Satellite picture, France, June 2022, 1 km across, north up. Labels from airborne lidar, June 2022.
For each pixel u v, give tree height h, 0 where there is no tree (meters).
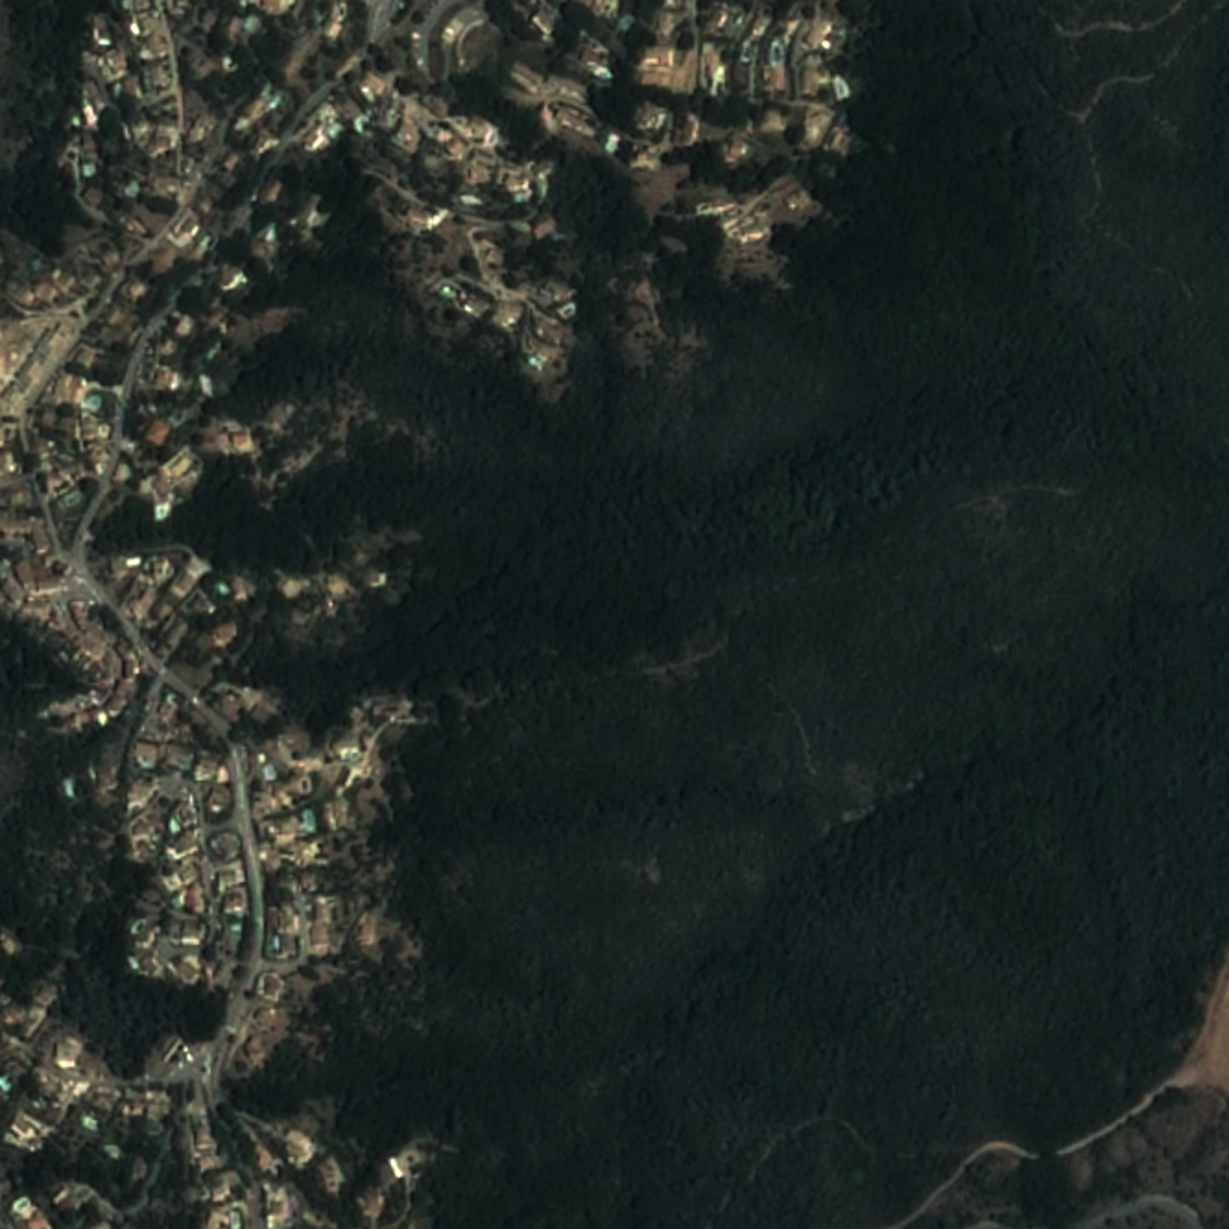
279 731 14
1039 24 10
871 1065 9
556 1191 20
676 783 7
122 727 7
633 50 13
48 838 8
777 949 14
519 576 16
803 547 8
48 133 11
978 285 20
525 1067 17
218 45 13
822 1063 7
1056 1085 11
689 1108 16
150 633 5
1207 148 14
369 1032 6
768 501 16
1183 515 9
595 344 10
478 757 8
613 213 13
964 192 18
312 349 11
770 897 8
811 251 17
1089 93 7
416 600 14
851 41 7
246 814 0
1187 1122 0
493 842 11
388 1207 6
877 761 7
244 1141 10
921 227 21
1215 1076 0
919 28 17
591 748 12
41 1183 13
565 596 13
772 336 7
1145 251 7
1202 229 6
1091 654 8
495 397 17
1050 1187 12
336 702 16
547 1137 12
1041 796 12
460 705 17
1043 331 12
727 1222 6
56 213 15
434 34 0
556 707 15
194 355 8
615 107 18
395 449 12
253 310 17
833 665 10
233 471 14
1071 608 8
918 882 13
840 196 22
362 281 6
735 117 14
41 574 0
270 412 6
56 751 7
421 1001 5
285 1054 13
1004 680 13
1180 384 6
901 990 15
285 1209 0
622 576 18
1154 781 6
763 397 6
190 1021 13
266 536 12
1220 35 13
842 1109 7
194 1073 0
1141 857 6
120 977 15
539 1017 7
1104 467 10
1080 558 5
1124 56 7
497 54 0
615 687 12
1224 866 11
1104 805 12
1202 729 10
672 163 18
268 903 7
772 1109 7
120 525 11
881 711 8
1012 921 12
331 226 10
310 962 9
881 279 17
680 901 6
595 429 15
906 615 10
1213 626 8
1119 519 9
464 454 7
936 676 8
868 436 14
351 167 17
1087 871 13
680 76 0
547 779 7
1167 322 10
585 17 15
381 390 7
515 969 6
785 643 9
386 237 13
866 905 12
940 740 16
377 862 7
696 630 6
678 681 7
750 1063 8
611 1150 16
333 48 6
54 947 9
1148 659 13
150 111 6
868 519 10
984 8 14
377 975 7
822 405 8
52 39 11
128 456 7
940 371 13
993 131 20
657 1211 17
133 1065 10
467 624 24
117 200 7
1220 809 7
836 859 10
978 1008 7
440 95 6
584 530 13
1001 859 17
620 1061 9
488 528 13
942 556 7
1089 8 7
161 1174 6
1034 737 11
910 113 15
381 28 0
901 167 22
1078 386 17
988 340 7
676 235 17
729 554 13
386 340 6
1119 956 9
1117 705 12
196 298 15
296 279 14
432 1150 8
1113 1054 9
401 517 14
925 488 8
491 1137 9
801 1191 7
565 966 8
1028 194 20
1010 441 17
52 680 16
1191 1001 8
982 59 20
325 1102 5
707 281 14
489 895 7
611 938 7
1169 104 6
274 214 17
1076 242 9
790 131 9
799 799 11
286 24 9
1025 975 7
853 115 14
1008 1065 6
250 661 12
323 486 18
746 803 13
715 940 9
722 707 11
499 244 9
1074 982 10
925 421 19
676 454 8
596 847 9
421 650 21
